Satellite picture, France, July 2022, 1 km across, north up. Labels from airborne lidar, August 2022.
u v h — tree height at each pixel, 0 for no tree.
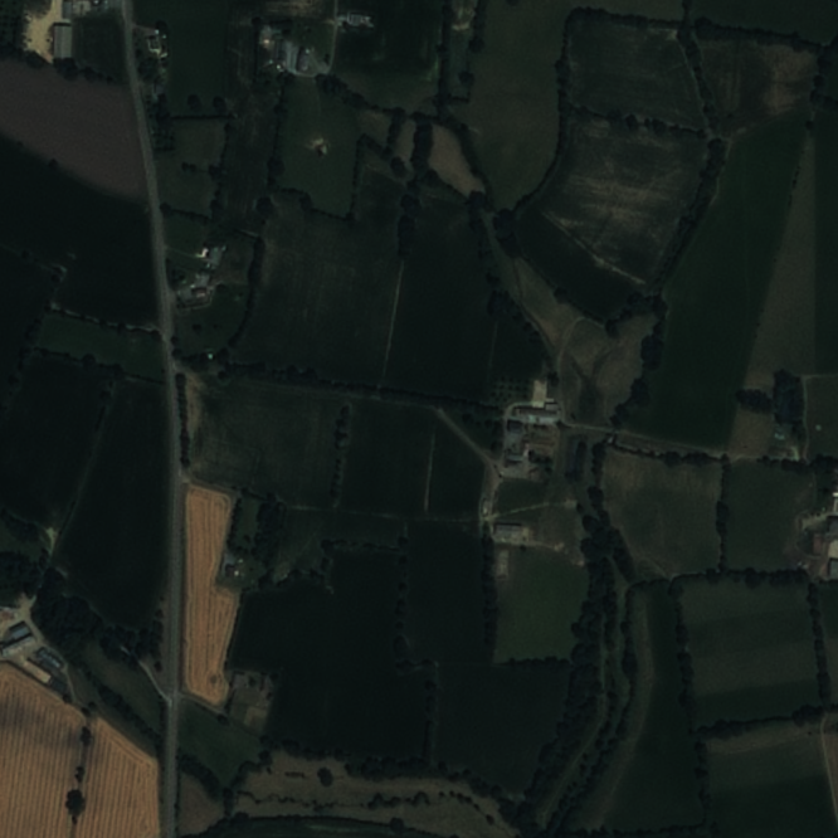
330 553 17
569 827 10
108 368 7
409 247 16
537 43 0
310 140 0
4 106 0
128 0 0
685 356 0
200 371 11
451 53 6
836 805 0
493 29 0
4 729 0
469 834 0
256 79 7
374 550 9
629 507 0
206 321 0
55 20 0
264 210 16
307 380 12
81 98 0
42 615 9
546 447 0
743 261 0
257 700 0
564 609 0
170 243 0
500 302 18
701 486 0
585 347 0
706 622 0
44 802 0
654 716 0
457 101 7
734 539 0
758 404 24
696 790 0
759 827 0
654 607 0
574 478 10
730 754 0
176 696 0
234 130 11
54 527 0
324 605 0
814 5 0
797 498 0
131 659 12
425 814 0
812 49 7
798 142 0
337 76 0
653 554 0
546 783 18
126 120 0
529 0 0
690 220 13
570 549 0
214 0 0
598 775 13
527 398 5
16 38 8
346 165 0
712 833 9
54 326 0
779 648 0
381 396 11
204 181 0
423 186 7
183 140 0
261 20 11
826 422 0
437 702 13
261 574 0
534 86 0
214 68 0
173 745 0
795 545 0
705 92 13
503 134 0
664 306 19
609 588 11
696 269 0
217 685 0
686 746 0
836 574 0
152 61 8
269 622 0
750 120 0
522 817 16
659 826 0
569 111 14
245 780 8
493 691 0
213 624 0
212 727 0
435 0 0
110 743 0
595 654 15
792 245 0
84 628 20
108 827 0
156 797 0
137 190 0
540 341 12
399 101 0
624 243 0
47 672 0
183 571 0
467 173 0
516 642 0
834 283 0
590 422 0
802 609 0
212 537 0
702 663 0
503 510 0
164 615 13
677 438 0
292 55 0
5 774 0
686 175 0
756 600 0
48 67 7
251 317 9
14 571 19
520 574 0
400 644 14
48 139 0
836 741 0
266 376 14
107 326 12
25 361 15
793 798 0
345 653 0
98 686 7
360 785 0
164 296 0
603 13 11
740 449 0
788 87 0
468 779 13
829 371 0
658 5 0
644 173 0
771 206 0
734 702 0
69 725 0
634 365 0
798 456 0
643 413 0
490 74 0
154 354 0
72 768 0
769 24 0
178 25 0
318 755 9
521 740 0
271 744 11
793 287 0
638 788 0
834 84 0
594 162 0
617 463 0
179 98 0
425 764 15
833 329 0
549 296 0
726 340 0
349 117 0
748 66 0
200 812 0
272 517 17
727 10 0
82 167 0
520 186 0
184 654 0
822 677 11
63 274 13
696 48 12
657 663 0
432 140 16
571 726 17
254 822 7
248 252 0
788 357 0
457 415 0
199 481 0
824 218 0
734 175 0
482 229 18
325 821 7
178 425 0
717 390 0
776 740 0
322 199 0
